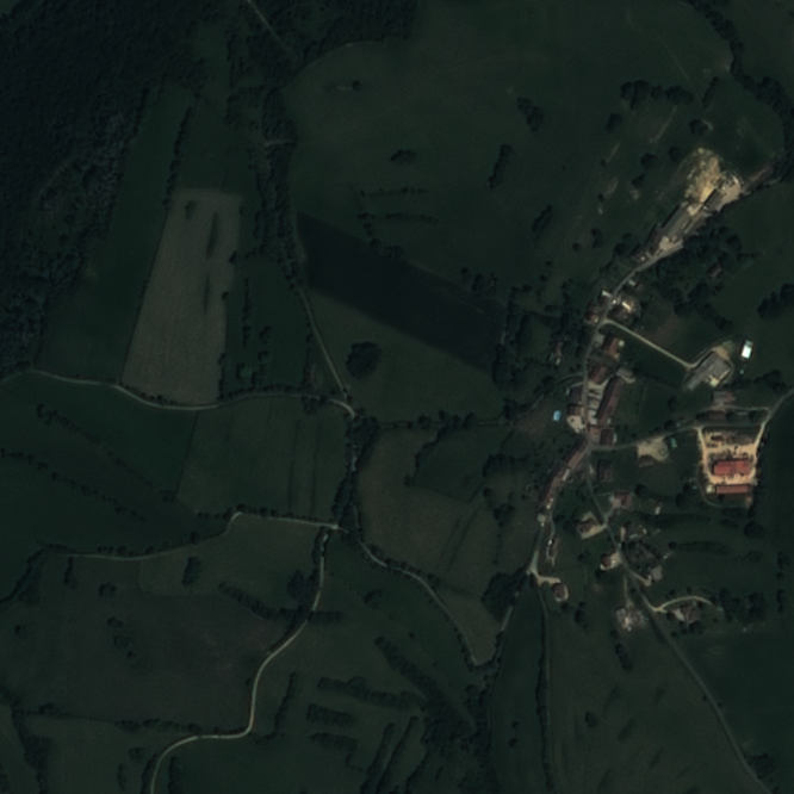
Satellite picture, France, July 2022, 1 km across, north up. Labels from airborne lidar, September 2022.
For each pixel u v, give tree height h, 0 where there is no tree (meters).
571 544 0
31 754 10
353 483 11
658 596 0
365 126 0
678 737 0
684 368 0
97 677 0
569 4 0
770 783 11
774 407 0
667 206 0
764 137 0
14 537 0
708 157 0
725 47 0
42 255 12
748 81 14
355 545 12
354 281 0
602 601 0
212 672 0
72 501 0
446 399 0
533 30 0
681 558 0
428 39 0
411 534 0
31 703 0
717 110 0
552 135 0
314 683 0
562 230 0
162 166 0
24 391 0
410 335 0
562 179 0
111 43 21
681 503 17
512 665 0
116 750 0
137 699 0
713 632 0
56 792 0
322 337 0
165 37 15
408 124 0
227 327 0
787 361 0
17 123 21
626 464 0
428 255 0
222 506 0
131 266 0
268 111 7
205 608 0
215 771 0
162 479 0
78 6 23
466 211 0
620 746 0
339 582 0
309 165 0
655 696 0
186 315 0
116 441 0
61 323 0
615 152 0
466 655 13
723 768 0
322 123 0
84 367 0
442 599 0
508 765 0
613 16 0
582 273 0
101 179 25
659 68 0
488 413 0
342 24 12
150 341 0
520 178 0
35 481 0
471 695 7
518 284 0
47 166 26
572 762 0
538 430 0
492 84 0
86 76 23
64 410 0
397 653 10
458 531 0
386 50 0
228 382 6
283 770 0
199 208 0
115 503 10
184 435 0
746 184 0
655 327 0
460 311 0
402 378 0
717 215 13
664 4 0
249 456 0
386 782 8
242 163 0
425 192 0
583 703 0
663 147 0
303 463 0
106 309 0
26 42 19
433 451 18
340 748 11
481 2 0
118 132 9
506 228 0
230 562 0
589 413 0
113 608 0
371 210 0
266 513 13
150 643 0
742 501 0
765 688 0
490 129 0
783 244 0
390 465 0
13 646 0
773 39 0
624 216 0
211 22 8
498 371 21
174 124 0
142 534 0
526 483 0
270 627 0
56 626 0
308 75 0
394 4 24
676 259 13
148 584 0
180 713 0
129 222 0
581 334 11
